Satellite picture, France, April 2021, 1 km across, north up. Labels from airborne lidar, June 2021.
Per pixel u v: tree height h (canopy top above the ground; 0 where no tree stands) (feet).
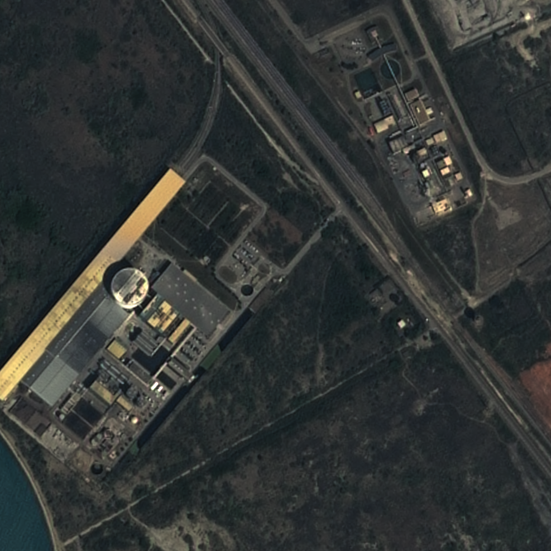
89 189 0
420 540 0
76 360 0
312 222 0
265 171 23
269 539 0
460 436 0
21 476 0
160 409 0
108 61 0
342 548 0
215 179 0
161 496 0
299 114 0
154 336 0
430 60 0
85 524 0
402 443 0
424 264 0
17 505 0
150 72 0
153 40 0
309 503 0
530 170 0
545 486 0
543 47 0
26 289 0
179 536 0
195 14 0
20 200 40
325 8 0
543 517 0
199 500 0
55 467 0
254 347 23
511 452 0
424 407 0
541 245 0
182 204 0
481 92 0
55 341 0
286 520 0
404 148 0
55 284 0
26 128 0
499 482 0
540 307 0
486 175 0
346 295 19
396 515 0
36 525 0
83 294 0
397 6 0
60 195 0
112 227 0
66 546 0
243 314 0
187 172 0
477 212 0
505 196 0
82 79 0
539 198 0
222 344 0
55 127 0
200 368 0
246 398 19
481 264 0
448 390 0
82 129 0
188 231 0
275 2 0
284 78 0
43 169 0
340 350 19
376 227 0
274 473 0
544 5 0
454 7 0
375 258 21
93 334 0
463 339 0
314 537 0
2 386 0
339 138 0
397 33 0
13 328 0
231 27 0
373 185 0
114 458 0
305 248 0
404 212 0
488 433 0
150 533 0
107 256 0
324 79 0
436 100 0
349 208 0
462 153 0
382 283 18
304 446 0
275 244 21
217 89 0
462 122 0
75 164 0
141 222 0
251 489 0
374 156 0
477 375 0
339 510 0
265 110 0
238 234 0
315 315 20
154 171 0
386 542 0
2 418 0
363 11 0
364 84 0
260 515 0
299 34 0
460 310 0
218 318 0
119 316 0
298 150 0
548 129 0
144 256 0
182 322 0
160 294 0
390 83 0
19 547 0
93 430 0
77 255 0
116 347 0
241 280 0
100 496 0
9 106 0
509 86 0
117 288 0
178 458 0
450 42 0
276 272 0
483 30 0
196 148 0
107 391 0
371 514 0
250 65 0
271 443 0
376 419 0
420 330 44
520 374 0
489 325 0
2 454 0
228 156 0
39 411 0
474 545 0
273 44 0
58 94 0
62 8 0
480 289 0
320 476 0
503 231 0
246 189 0
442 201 0
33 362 0
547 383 0
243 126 23
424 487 0
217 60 0
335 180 0
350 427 0
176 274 0
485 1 0
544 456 0
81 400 0
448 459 0
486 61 0
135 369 0
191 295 0
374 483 0
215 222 0
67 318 0
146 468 0
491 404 0
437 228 0
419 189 0
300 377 0
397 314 0
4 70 0
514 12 0
